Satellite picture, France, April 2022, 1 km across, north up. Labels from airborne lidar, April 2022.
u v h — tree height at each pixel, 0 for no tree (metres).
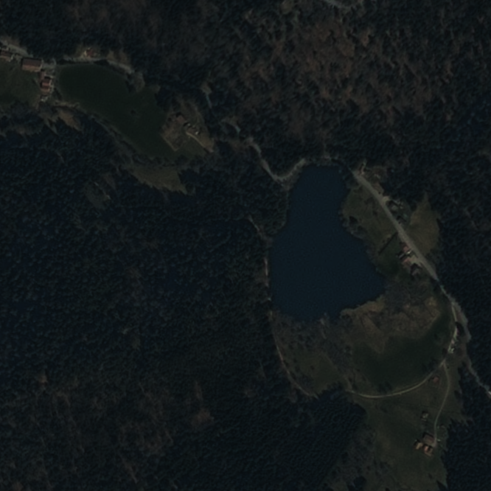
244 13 22
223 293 15
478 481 29
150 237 25
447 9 24
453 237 24
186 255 20
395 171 19
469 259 23
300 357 0
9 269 41
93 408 20
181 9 26
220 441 24
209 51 27
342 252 0
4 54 0
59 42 32
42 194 43
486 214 21
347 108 15
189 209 28
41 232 38
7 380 28
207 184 28
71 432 24
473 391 30
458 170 38
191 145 0
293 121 25
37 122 28
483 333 21
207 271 13
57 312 30
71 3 26
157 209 19
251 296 39
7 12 32
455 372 0
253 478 29
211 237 17
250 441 24
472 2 22
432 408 0
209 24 24
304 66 18
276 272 0
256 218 20
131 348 23
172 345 10
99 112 0
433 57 29
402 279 0
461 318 0
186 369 23
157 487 47
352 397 15
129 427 20
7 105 0
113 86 0
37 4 19
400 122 19
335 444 27
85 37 27
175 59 21
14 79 0
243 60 23
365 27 27
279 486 29
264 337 25
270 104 33
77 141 16
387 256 0
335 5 0
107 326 28
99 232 40
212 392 25
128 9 18
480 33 12
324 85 31
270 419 23
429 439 0
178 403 22
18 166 23
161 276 24
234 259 21
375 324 0
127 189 30
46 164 35
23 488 13
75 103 0
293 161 23
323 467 28
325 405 27
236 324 23
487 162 14
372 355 0
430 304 0
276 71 35
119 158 22
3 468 28
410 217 0
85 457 30
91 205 28
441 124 44
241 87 40
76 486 23
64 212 16
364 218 0
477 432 26
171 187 0
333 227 0
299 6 30
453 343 0
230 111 42
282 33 6
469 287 36
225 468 25
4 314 25
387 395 18
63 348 13
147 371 25
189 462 25
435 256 19
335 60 11
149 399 22
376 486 0
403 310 0
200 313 8
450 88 21
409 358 0
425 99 18
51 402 21
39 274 19
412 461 0
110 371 27
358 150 30
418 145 21
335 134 26
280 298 0
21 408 16
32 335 24
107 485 37
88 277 28
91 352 7
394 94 16
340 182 0
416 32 31
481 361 23
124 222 46
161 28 23
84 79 0
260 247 32
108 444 23
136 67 28
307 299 0
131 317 25
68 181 24
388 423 0
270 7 8
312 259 0
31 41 36
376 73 24
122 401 12
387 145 25
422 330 0
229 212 27
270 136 14
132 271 27
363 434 19
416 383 0
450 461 29
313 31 22
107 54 10
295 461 17
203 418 18
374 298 0
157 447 32
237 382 19
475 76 14
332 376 0
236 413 20
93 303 16
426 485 0
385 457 0
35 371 12
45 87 0
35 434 21
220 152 23
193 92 30
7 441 26
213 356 24
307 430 23
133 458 37
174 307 25
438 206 33
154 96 0
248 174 31
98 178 31
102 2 30
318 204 0
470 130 20
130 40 32
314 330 14
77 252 28
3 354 21
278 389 44
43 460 23
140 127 0
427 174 22
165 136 0
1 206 14
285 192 30
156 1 27
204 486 25
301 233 0
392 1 22
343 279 0
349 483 12
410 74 31
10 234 21
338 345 12
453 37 19
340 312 0
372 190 0
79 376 9
